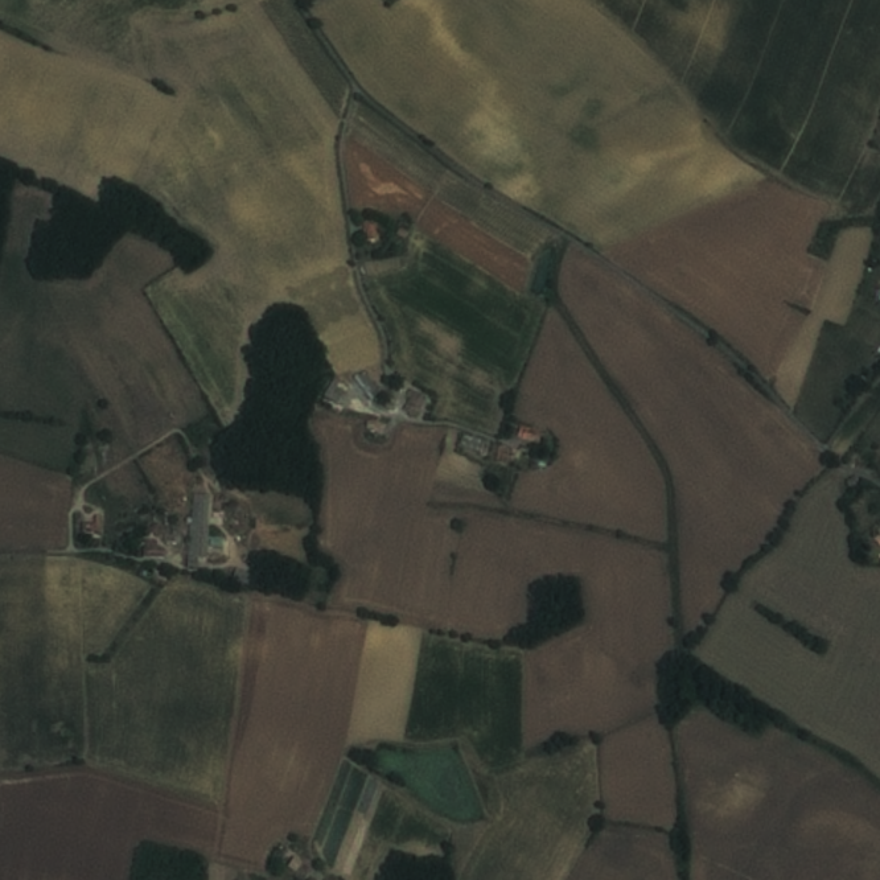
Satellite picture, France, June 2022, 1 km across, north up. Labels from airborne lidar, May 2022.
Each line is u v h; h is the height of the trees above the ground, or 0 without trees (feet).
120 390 0
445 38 0
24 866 0
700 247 0
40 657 0
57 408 0
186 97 0
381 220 33
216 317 0
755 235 0
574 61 0
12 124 0
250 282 0
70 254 40
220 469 57
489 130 0
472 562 0
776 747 0
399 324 0
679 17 0
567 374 0
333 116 0
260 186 0
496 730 0
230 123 0
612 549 0
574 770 0
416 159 0
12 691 0
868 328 0
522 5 0
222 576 40
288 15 0
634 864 0
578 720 0
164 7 0
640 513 0
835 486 0
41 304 0
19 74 0
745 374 25
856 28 0
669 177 0
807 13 0
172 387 0
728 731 0
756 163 0
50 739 0
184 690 0
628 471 0
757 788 0
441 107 0
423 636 0
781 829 0
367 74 0
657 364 0
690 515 0
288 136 0
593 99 0
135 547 20
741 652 0
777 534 50
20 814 0
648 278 0
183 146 0
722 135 0
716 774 0
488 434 0
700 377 0
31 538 0
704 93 0
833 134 0
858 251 0
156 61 0
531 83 0
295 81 0
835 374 0
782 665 0
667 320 0
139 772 0
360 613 35
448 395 0
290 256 0
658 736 0
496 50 0
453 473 0
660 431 0
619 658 0
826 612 0
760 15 0
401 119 0
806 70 0
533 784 0
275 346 54
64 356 0
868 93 0
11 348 0
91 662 30
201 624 0
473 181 0
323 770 0
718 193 0
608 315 0
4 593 0
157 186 0
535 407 0
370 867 0
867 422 0
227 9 24
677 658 68
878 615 0
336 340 0
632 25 0
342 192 0
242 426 52
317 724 0
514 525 0
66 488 0
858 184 0
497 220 0
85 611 0
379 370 0
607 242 0
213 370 0
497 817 0
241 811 0
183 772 0
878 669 0
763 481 0
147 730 0
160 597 0
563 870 0
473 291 0
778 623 35
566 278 0
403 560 0
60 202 57
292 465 69
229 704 0
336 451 0
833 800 0
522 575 0
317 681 0
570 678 0
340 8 0
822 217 0
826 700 0
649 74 0
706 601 0
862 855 0
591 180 0
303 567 63
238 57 0
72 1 0
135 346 0
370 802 0
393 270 0
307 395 46
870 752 0
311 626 0
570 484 0
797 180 0
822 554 0
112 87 0
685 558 0
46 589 0
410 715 0
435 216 0
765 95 0
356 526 0
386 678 0
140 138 0
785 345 0
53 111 0
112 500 0
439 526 0
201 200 0
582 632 0
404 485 0
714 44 0
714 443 0
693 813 0
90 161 0
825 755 0
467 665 0
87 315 0
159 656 0
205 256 42
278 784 0
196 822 0
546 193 0
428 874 62
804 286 0
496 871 0
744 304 0
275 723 0
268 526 0
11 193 28
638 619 0
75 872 0
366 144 0
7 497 0
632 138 0
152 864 28
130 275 0
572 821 0
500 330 0
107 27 0
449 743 0
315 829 0
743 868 0
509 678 0
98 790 0
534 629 55
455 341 0
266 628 0
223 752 0
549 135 0
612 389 0
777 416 0
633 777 0
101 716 0
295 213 0
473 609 0
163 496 0
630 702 0
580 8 0
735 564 0
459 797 0
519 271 0
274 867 70
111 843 0
